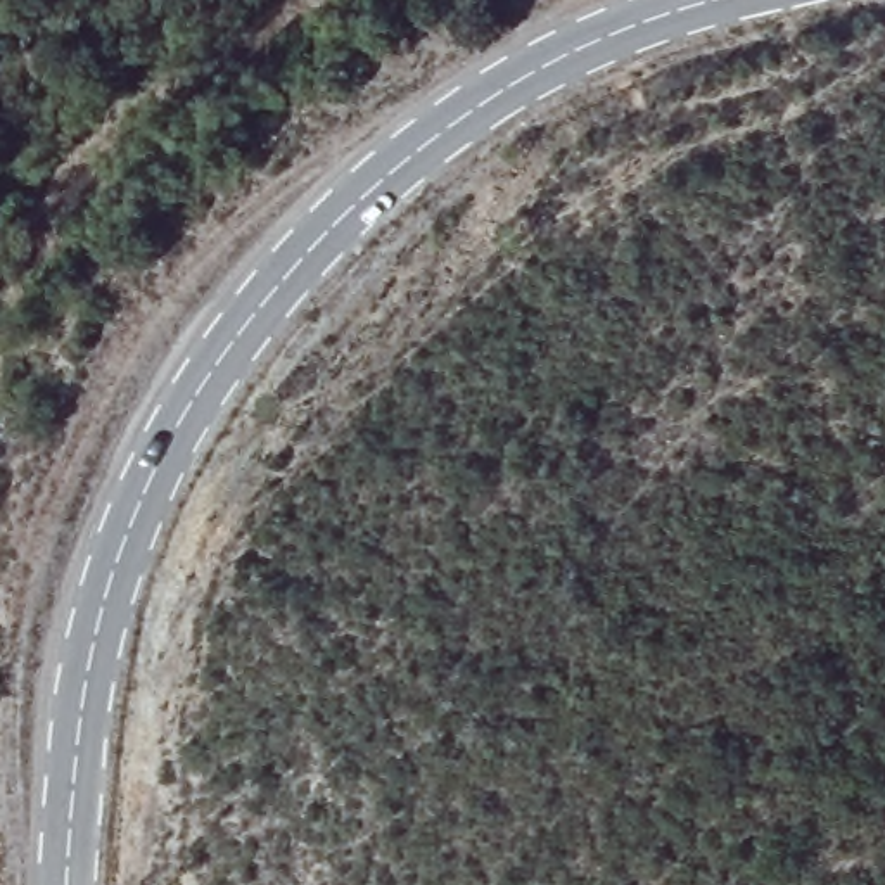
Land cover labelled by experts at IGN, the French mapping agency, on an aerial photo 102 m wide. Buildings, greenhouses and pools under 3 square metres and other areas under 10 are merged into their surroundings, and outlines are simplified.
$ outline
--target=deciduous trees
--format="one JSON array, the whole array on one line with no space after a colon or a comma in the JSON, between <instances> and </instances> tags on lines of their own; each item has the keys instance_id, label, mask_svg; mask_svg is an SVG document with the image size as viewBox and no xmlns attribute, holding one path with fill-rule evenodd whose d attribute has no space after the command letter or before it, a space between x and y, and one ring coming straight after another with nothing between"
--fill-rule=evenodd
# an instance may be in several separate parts
<instances>
[{"instance_id":1,"label":"deciduous trees","mask_svg":"<svg viewBox=\"0 0 885 885\"><path fill-rule=\"evenodd\" d=\"M377 76L387 55L411 52L436 28L446 28L456 45L474 52L487 52L505 35L494 24L484 0L308 0L301 21L290 21L277 41L256 48L232 45L204 52L201 31L180 35L180 24L169 21L176 7L169 0L0 0L0 443L7 443L10 460L14 453L28 453L35 443L48 443L52 408L45 401L35 401L31 391L52 370L62 373L62 384L73 384L80 391L86 387L93 346L100 346L104 325L121 311L121 294L111 287L111 273L121 266L152 266L162 256L180 256L187 225L207 218L218 190L235 194L242 187L245 194L252 194L252 173L266 166L273 152L270 135L287 124L294 107L318 100L325 107L328 100L342 104L356 97L360 86L366 86ZM114 149L97 152L86 166L76 166L62 180L55 180L55 166L62 162L62 156L83 145L97 131L97 124L114 111L114 104L128 93L138 93L149 76L169 83L166 100L159 107L131 107L124 114L124 128Z\"/></svg>"}]
</instances>

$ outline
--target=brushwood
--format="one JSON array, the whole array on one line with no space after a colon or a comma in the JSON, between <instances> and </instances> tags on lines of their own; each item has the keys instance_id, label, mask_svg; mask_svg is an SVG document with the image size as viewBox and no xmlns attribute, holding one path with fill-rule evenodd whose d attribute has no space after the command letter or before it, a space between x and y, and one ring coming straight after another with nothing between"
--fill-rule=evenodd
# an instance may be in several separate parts
<instances>
[{"instance_id":1,"label":"brushwood","mask_svg":"<svg viewBox=\"0 0 885 885\"><path fill-rule=\"evenodd\" d=\"M169 21L180 24L180 35L201 31L204 52L232 45L256 48L256 31L277 17L277 10L287 0L169 0L176 7Z\"/></svg>"},{"instance_id":2,"label":"brushwood","mask_svg":"<svg viewBox=\"0 0 885 885\"><path fill-rule=\"evenodd\" d=\"M805 80L778 80L767 90L733 97L726 104L678 111L671 118L664 142L678 145L688 135L705 135L709 128L733 128L747 114L781 114L792 100L816 93L819 86L837 80L830 69L812 66Z\"/></svg>"},{"instance_id":3,"label":"brushwood","mask_svg":"<svg viewBox=\"0 0 885 885\"><path fill-rule=\"evenodd\" d=\"M726 318L726 325L733 325L740 304L764 297L771 287L781 287L781 280L764 280L750 290L736 290L736 263L726 252L726 245L712 235L712 225L719 221L729 232L743 232L750 218L767 214L771 204L781 197L792 197L795 204L785 214L781 232L761 232L761 249L750 256L743 277L767 266L774 249L802 242L802 315L781 318L774 308L767 308L740 335L736 353L719 353L709 318ZM574 214L563 225L563 235L525 242L529 263L522 266L522 273L508 273L508 280L494 287L484 301L460 297L460 315L418 346L411 366L394 366L391 387L380 394L380 401L363 404L349 418L349 425L328 429L328 453L308 456L294 484L266 481L259 491L249 494L245 519L221 546L194 619L194 671L183 681L176 681L159 702L159 778L162 785L173 785L180 792L180 802L173 805L180 812L180 830L162 830L152 840L156 861L138 878L138 885L885 885L885 69L861 83L844 100L844 111L805 111L802 118L785 121L781 131L754 131L736 145L716 142L712 149L691 152L671 169L653 173L650 183L643 183L640 190L629 190L622 197L626 207L615 214L608 207L608 190L598 194L591 204L591 232L581 235ZM636 460L626 460L633 439L653 429L653 418L636 418L629 411L633 401L643 394L657 404L660 387L674 373L691 373L695 356L705 360L705 377L716 384L719 370L733 366L736 373L761 377L764 387L750 398L726 398L719 411L709 415L709 429L719 436L716 449L695 449L695 463L688 470L646 470Z\"/></svg>"},{"instance_id":4,"label":"brushwood","mask_svg":"<svg viewBox=\"0 0 885 885\"><path fill-rule=\"evenodd\" d=\"M781 21L767 17L757 21L764 41L729 48L719 55L698 55L691 59L664 69L671 97L684 100L691 93L712 93L761 69L781 66L785 55L802 48L826 52L830 45L837 45L840 66L864 66L868 59L885 55L885 0L847 0L847 14L819 14L816 21L805 21L792 38L785 38Z\"/></svg>"}]
</instances>

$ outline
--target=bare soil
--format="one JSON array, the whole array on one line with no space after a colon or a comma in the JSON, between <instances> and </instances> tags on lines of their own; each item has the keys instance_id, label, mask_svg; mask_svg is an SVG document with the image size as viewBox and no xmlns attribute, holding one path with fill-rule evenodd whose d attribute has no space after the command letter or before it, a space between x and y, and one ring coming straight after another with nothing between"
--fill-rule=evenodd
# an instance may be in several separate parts
<instances>
[{"instance_id":1,"label":"bare soil","mask_svg":"<svg viewBox=\"0 0 885 885\"><path fill-rule=\"evenodd\" d=\"M41 640L52 626L52 608L73 546L80 539L83 505L90 501L93 481L104 474L111 443L121 436L142 391L152 384L159 363L180 339L183 325L194 318L194 311L207 301L207 294L235 270L249 245L256 245L304 194L311 194L322 183L322 173L332 162L332 149L325 138L332 131L346 131L377 118L384 107L408 100L411 93L429 90L436 73L467 62L474 52L456 45L446 28L436 28L411 52L387 55L377 76L366 86L360 86L356 97L342 104L328 100L325 107L318 100L294 107L287 124L270 135L273 152L266 166L252 173L252 194L245 194L242 187L235 194L218 190L207 218L187 225L180 256L162 256L152 266L121 266L111 273L111 287L121 294L121 311L104 325L100 346L93 346L86 387L80 391L73 384L62 384L62 373L52 370L31 391L35 401L45 401L52 408L48 443L35 443L28 453L14 453L10 460L7 443L0 443L0 885L28 885L28 868L35 864L35 833L45 833L45 805L35 802L31 767Z\"/></svg>"},{"instance_id":2,"label":"bare soil","mask_svg":"<svg viewBox=\"0 0 885 885\"><path fill-rule=\"evenodd\" d=\"M277 17L256 31L256 48L277 41L290 21L301 21L308 0L287 0L277 10Z\"/></svg>"},{"instance_id":3,"label":"bare soil","mask_svg":"<svg viewBox=\"0 0 885 885\"><path fill-rule=\"evenodd\" d=\"M767 308L774 308L781 318L802 315L802 242L774 249L767 266L743 277L750 256L761 249L761 232L781 232L785 214L795 204L792 197L781 197L771 204L767 214L750 218L743 232L729 232L719 221L712 225L712 235L726 245L726 252L736 263L736 290L750 290L764 280L781 280L781 287L771 287L764 297L740 304L733 325L726 325L726 318L709 318L719 353L736 353L740 335Z\"/></svg>"},{"instance_id":4,"label":"bare soil","mask_svg":"<svg viewBox=\"0 0 885 885\"><path fill-rule=\"evenodd\" d=\"M805 21L816 21L819 14L847 14L847 0L754 0L743 10L750 24L733 24L726 31L695 38L698 55L719 55L729 48L764 41L757 21L767 17L781 21L785 38L792 38Z\"/></svg>"},{"instance_id":5,"label":"bare soil","mask_svg":"<svg viewBox=\"0 0 885 885\"><path fill-rule=\"evenodd\" d=\"M131 107L159 107L166 100L169 83L149 76L138 93L128 93L114 104L114 111L97 124L97 131L83 145L62 156L62 162L55 166L55 180L62 180L76 166L86 166L97 152L114 149L124 128L124 114Z\"/></svg>"},{"instance_id":6,"label":"bare soil","mask_svg":"<svg viewBox=\"0 0 885 885\"><path fill-rule=\"evenodd\" d=\"M802 118L805 111L844 111L844 100L861 83L885 69L885 55L868 59L864 66L840 66L837 45L830 45L826 52L802 48L785 55L781 66L761 69L712 93L691 93L684 100L671 97L664 69L691 59L688 52L660 48L650 59L650 76L643 69L633 69L626 86L584 86L581 93L560 93L553 100L532 97L522 83L519 90L525 100L519 107L525 107L525 114L501 124L494 135L474 142L474 149L460 156L439 183L429 183L404 211L398 211L391 221L380 221L373 235L363 242L363 249L346 256L346 263L318 287L318 294L308 301L301 315L304 322L325 318L332 332L304 356L304 363L294 366L283 377L283 384L259 370L242 384L235 404L225 415L225 425L211 436L180 498L173 501L173 512L162 525L159 546L152 553L135 605L124 678L114 705L100 885L138 885L138 878L156 861L152 840L162 830L180 830L180 812L173 805L180 802L180 792L173 785L162 785L159 778L159 702L176 681L183 681L194 671L194 619L221 546L245 519L249 494L259 491L266 481L294 484L308 456L328 453L328 429L349 425L349 418L363 404L380 401L380 394L391 387L394 366L411 366L418 346L460 315L460 297L484 301L494 287L508 280L508 273L522 273L522 266L529 263L525 242L563 235L563 225L574 214L581 235L591 232L591 204L598 194L608 190L608 207L615 214L626 207L622 197L629 190L640 190L643 183L650 183L653 173L671 169L691 152L712 149L716 142L736 145L754 131L781 131L785 121ZM805 80L812 66L830 69L837 80L819 86L816 93L792 100L781 114L747 114L733 128L709 128L705 135L688 135L678 145L664 142L671 118L678 111L726 104L733 97L767 90L778 80Z\"/></svg>"},{"instance_id":7,"label":"bare soil","mask_svg":"<svg viewBox=\"0 0 885 885\"><path fill-rule=\"evenodd\" d=\"M726 398L750 398L764 387L761 377L736 373L733 366L719 370L716 384L705 377L705 360L695 356L691 373L674 373L660 387L657 404L643 394L633 401L629 411L636 418L653 418L653 429L633 439L626 460L636 460L646 470L688 470L695 463L695 449L716 449L719 436L709 429L709 415L719 411Z\"/></svg>"},{"instance_id":8,"label":"bare soil","mask_svg":"<svg viewBox=\"0 0 885 885\"><path fill-rule=\"evenodd\" d=\"M494 24L505 35L532 14L536 0L484 0Z\"/></svg>"}]
</instances>

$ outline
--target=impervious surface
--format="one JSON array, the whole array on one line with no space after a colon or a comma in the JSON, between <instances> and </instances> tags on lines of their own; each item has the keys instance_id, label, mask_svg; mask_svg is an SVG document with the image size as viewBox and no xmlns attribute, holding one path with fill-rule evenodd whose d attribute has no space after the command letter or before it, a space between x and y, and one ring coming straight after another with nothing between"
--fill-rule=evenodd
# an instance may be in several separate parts
<instances>
[{"instance_id":1,"label":"impervious surface","mask_svg":"<svg viewBox=\"0 0 885 885\"><path fill-rule=\"evenodd\" d=\"M346 263L346 256L363 249L363 242L373 235L380 221L391 221L398 211L404 211L429 183L439 183L460 156L474 149L474 142L494 135L501 124L525 114L525 107L519 107L525 100L519 90L522 83L532 97L553 100L560 93L581 93L584 86L626 86L633 69L643 69L650 76L650 59L660 48L688 52L691 59L698 55L695 38L726 31L733 24L750 24L743 10L754 0L536 0L532 14L505 35L487 52L474 52L467 62L436 73L429 90L411 93L408 100L384 107L377 118L346 131L332 131L325 138L332 149L332 162L322 173L322 183L311 194L304 194L256 245L249 245L235 270L207 294L207 301L194 311L194 318L183 325L180 339L159 363L152 384L142 391L121 436L111 443L104 474L93 481L90 501L83 505L80 539L73 546L52 608L52 626L41 640L31 767L35 802L45 805L45 833L35 833L35 864L28 868L28 885L100 885L114 705L124 678L135 605L152 553L159 546L162 525L173 512L173 501L180 498L211 436L225 425L225 415L235 404L242 384L259 370L283 384L283 377L294 366L304 363L304 356L332 332L325 318L304 322L301 315L308 301L318 294L318 287Z\"/></svg>"}]
</instances>

